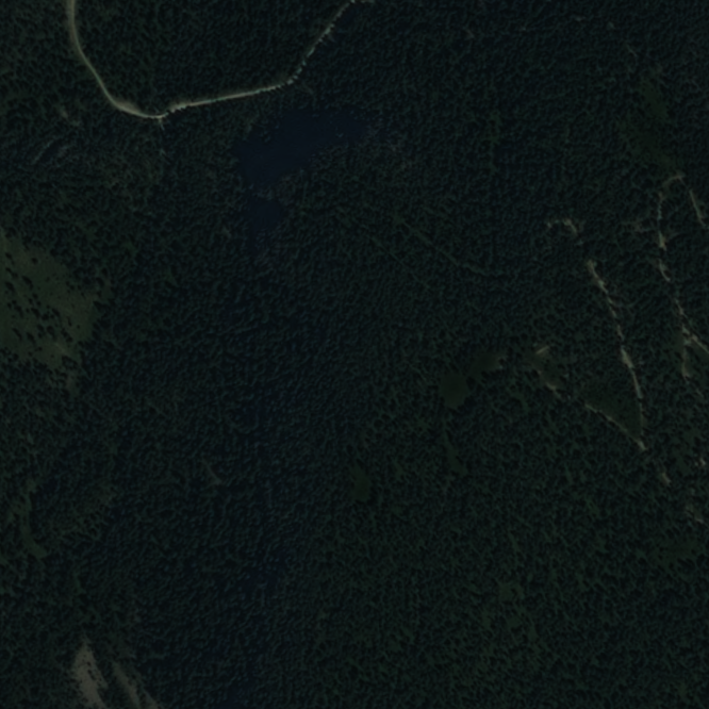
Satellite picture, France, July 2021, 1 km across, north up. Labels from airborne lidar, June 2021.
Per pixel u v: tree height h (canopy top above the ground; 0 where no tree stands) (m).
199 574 28
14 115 15
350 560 24
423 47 9
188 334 27
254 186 7
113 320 23
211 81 19
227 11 22
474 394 21
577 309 28
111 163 11
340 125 16
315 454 14
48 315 8
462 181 29
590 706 23
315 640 15
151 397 19
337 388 21
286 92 18
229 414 22
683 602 32
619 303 18
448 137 22
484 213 33
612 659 28
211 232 25
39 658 22
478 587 26
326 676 22
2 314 0
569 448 25
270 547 20
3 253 0
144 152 17
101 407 13
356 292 16
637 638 25
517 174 23
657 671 28
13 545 23
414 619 20
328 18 12
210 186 21
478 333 23
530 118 9
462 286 29
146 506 19
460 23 28
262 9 12
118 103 0
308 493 14
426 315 23
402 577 18
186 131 29
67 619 23
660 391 6
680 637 26
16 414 15
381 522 25
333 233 12
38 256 0
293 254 20
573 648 22
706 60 12
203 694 16
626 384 15
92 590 28
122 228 26
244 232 24
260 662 12
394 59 10
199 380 23
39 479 14
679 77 21
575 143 12
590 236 25
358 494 0
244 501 16
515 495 19
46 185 15
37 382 20
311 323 14
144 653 26
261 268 15
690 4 15
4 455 26
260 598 14
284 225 12
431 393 16
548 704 21
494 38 28
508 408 19
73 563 27
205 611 20
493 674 16
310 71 14
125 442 14
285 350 24
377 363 13
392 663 14
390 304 18
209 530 26
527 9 24
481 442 18
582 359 12
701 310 17
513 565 13
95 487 24
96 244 12
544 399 30
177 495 20
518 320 15
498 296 23
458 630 21
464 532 20
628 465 27
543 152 17
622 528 14
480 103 31
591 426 27
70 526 21
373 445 17
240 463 21
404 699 18
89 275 17
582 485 28
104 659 14
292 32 20
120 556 17
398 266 23
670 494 17
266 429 5
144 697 7
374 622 18
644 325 12
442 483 26
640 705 24
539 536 25
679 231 16
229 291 17
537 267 24
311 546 16
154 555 26
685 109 17
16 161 19
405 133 30
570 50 8
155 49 28
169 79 16
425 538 19
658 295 7
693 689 25
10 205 22
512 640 20
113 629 31
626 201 21
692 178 17
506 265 19
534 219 20
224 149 10
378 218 17
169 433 16
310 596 15
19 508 9
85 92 8
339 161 7
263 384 18
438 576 15
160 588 23
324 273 13
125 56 11
